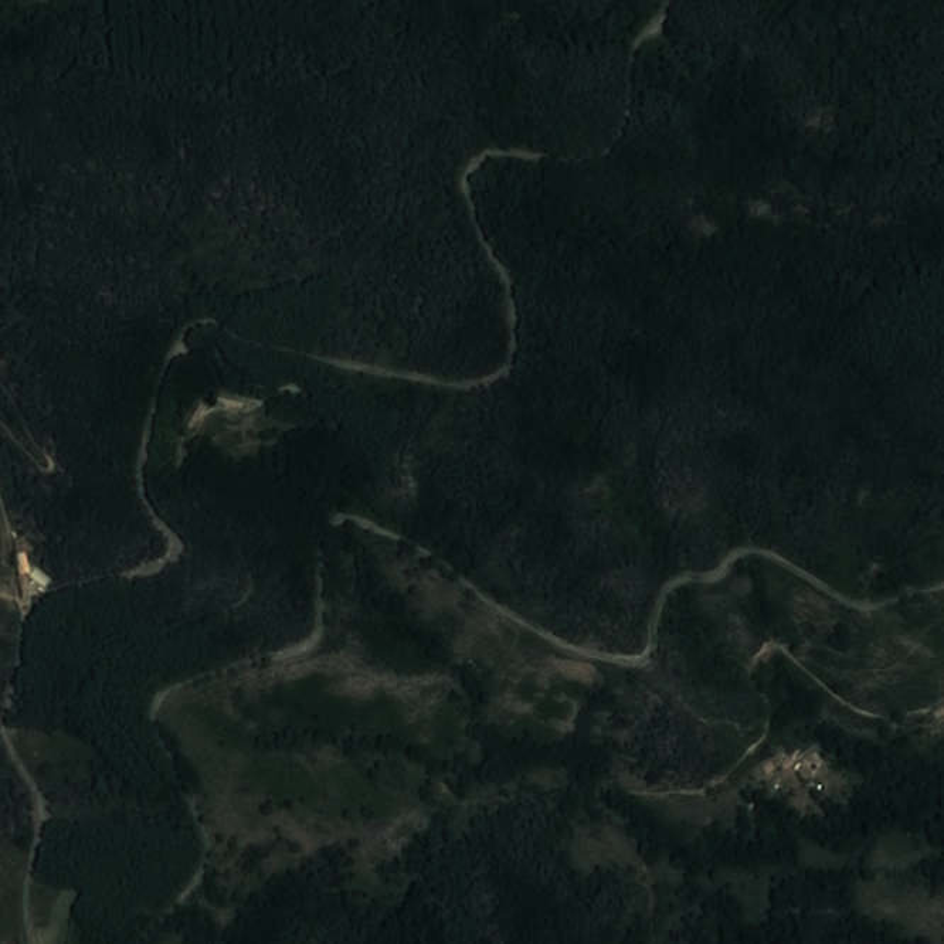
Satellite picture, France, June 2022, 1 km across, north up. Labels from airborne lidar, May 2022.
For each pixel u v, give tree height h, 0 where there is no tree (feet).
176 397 41
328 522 66
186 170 48
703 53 57
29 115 36
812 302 70
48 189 35
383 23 56
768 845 67
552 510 24
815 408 42
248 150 48
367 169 35
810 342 88
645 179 57
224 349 64
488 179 66
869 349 73
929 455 41
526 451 37
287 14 65
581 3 56
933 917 0
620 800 57
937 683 0
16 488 28
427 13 54
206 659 71
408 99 55
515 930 50
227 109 53
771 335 65
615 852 0
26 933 0
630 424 56
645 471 33
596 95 62
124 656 73
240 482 70
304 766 0
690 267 75
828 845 54
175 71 61
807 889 68
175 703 0
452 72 58
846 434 32
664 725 25
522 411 56
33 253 46
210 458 54
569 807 47
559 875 52
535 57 64
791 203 34
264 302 66
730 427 31
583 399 54
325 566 41
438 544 34
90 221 39
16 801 41
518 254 68
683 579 0
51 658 80
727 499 28
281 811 22
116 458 47
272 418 35
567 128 51
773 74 66
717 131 73
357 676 0
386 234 24
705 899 35
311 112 51
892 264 39
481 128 32
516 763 78
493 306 41
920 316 76
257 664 31
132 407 53
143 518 48
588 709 28
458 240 47
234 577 32
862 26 67
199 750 0
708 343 34
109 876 77
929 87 28
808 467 32
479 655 0
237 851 33
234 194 32
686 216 31
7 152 24
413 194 53
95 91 57
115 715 75
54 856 58
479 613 0
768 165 75
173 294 23
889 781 84
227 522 52
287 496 83
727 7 63
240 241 19
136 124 51
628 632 27
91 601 72
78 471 39
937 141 27
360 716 0
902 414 37
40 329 41
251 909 35
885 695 0
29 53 32
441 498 31
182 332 25
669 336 49
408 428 25
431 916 38
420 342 43
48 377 35
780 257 63
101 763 26
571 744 49
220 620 65
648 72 64
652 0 67
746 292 61
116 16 63
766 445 38
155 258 34
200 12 56
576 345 58
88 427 51
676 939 29
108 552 33
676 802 0
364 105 40
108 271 42
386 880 22
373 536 36
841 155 78
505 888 47
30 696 58
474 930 41
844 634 43
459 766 23
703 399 38
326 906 50
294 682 0
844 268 67
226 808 0
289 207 33
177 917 37
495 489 36
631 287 73
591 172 50
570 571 31
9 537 0
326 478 52
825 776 0
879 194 61
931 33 49
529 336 40
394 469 21
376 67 38
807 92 44
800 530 26
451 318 56
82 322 33
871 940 59
